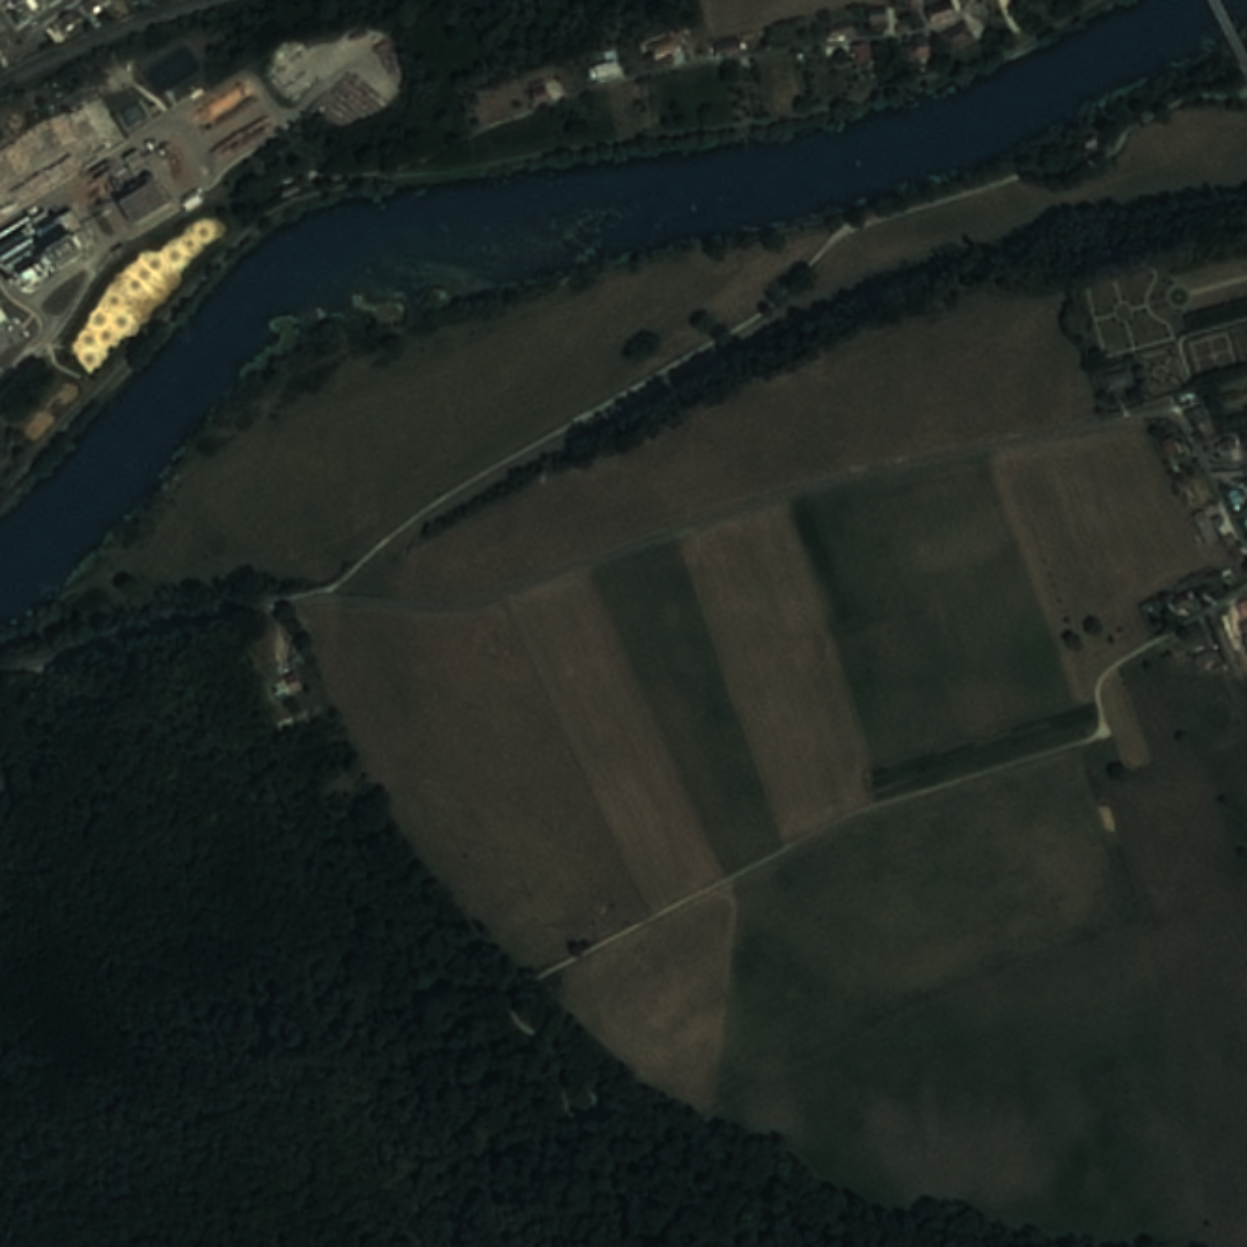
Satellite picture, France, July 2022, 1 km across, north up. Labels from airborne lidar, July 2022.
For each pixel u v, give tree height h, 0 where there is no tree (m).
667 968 0
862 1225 29
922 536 0
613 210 0
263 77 0
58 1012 20
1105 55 0
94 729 21
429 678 0
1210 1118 0
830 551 0
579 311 0
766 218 0
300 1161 14
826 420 0
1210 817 0
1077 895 0
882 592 0
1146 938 0
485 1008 24
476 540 0
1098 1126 0
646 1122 27
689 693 0
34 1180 16
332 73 0
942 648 0
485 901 0
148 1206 24
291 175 11
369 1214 18
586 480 0
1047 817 0
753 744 0
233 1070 18
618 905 0
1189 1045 0
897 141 0
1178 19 0
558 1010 18
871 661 0
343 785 0
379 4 12
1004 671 0
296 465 0
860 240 0
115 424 0
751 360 23
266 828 22
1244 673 0
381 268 0
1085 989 0
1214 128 0
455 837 0
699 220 0
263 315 0
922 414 0
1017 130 0
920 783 0
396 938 19
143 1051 21
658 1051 0
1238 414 6
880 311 28
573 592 0
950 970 0
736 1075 0
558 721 0
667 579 0
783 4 0
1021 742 0
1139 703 0
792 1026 0
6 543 0
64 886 15
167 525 0
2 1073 19
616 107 0
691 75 0
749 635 0
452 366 0
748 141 0
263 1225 22
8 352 0
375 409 0
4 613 0
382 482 0
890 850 0
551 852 0
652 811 0
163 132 0
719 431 0
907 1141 0
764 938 0
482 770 0
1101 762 0
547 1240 24
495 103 0
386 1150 24
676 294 0
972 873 0
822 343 20
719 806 0
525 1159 24
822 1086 0
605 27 12
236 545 0
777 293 19
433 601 0
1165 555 0
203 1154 18
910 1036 0
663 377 0
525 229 0
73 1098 17
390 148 15
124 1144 19
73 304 0
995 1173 0
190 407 0
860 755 0
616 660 0
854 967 0
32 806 22
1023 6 14
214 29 10
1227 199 19
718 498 0
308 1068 17
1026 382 0
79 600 0
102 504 0
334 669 0
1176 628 11
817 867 0
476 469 0
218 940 23
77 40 0
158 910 19
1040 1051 0
